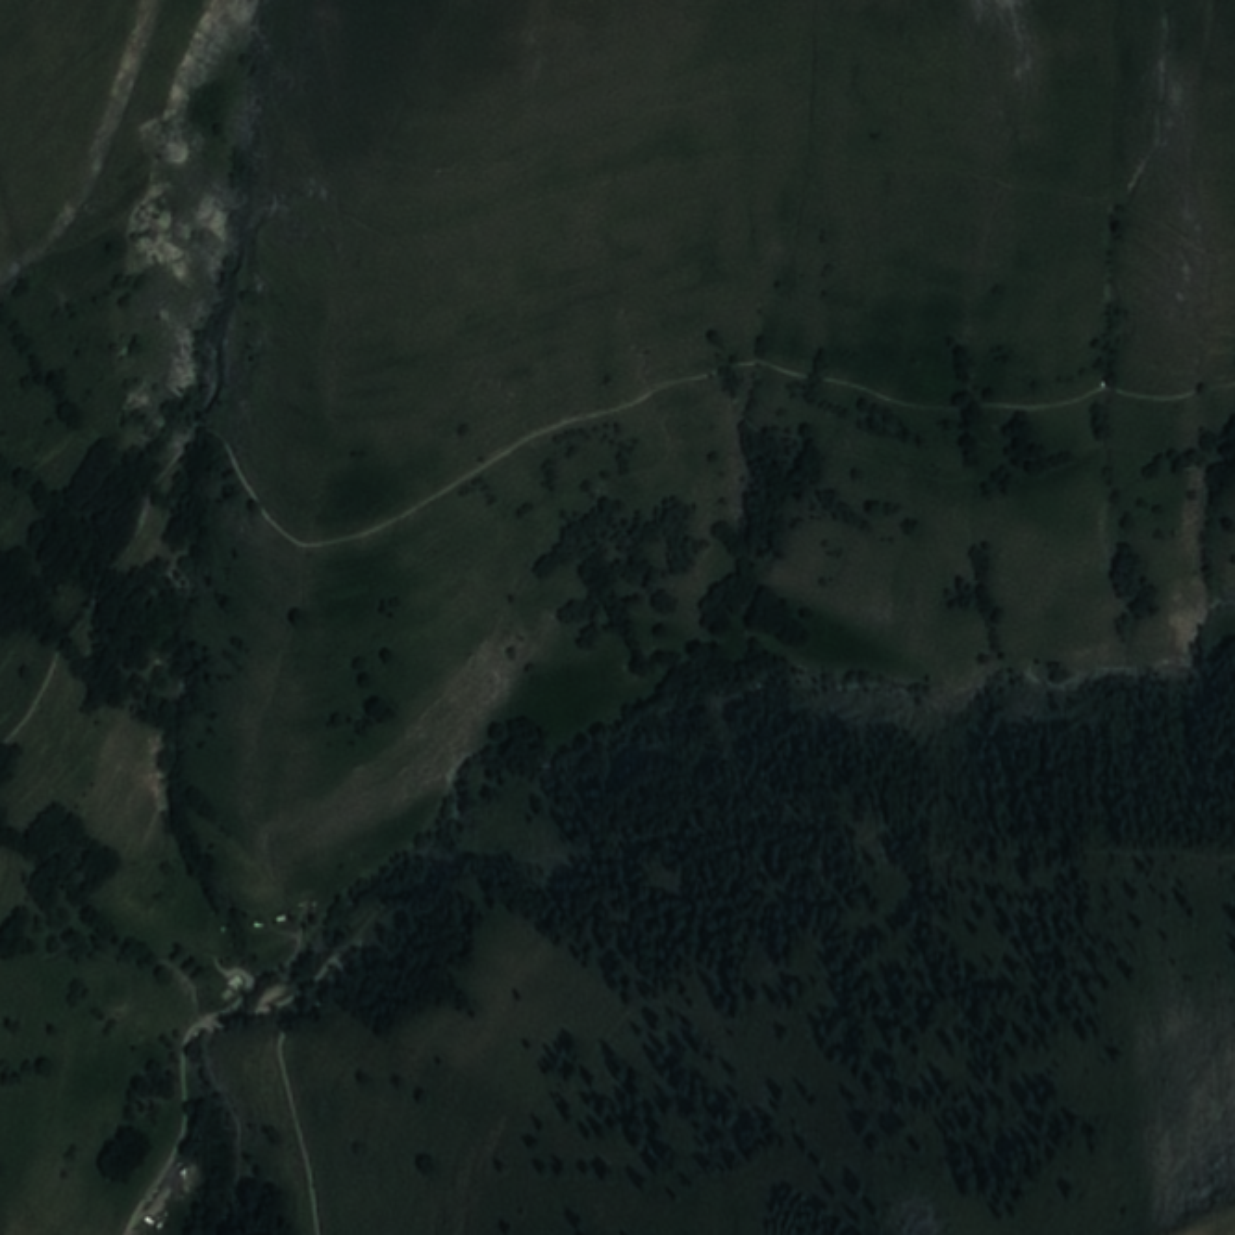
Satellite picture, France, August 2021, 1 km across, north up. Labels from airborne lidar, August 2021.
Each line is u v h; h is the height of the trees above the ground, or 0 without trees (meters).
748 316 0
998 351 6
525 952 0
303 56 0
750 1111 0
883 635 0
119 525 19
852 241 0
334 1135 0
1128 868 0
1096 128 0
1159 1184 0
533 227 0
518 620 0
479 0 0
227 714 0
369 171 0
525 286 0
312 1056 0
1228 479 21
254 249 0
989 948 0
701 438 0
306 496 0
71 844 14
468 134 0
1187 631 0
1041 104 0
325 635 0
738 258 0
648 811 20
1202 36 0
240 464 0
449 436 0
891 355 0
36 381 11
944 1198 0
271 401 0
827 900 17
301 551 0
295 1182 0
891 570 0
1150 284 0
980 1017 18
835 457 0
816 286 0
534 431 0
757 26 0
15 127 0
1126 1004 0
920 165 0
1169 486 0
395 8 0
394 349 0
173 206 0
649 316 0
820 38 0
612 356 0
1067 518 0
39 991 0
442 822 9
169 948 0
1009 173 0
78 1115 0
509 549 0
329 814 0
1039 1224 0
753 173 0
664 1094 0
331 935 8
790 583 0
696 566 11
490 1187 0
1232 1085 0
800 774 14
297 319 0
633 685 0
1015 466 11
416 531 0
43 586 13
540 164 0
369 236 0
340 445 0
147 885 0
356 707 0
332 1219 0
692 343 0
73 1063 0
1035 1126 6
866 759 13
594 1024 0
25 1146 0
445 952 17
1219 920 0
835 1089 0
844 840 14
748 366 0
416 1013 10
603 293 0
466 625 0
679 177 0
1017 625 0
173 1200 0
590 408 0
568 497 0
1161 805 13
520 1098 0
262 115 0
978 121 0
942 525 0
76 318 8
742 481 7
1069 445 0
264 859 0
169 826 11
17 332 9
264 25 0
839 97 0
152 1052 0
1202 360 0
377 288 0
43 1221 0
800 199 0
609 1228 0
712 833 16
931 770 12
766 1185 0
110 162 0
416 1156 0
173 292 0
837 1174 0
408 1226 0
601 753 14
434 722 0
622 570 14
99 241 0
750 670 16
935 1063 0
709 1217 0
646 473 0
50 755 0
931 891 16
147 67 0
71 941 19
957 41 0
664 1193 0
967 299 0
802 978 0
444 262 0
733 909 17
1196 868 0
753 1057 0
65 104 0
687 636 0
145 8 0
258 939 0
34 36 0
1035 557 0
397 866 16
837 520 12
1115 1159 0
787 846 19
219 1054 0
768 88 0
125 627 23
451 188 0
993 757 9
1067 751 14
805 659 0
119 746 0
